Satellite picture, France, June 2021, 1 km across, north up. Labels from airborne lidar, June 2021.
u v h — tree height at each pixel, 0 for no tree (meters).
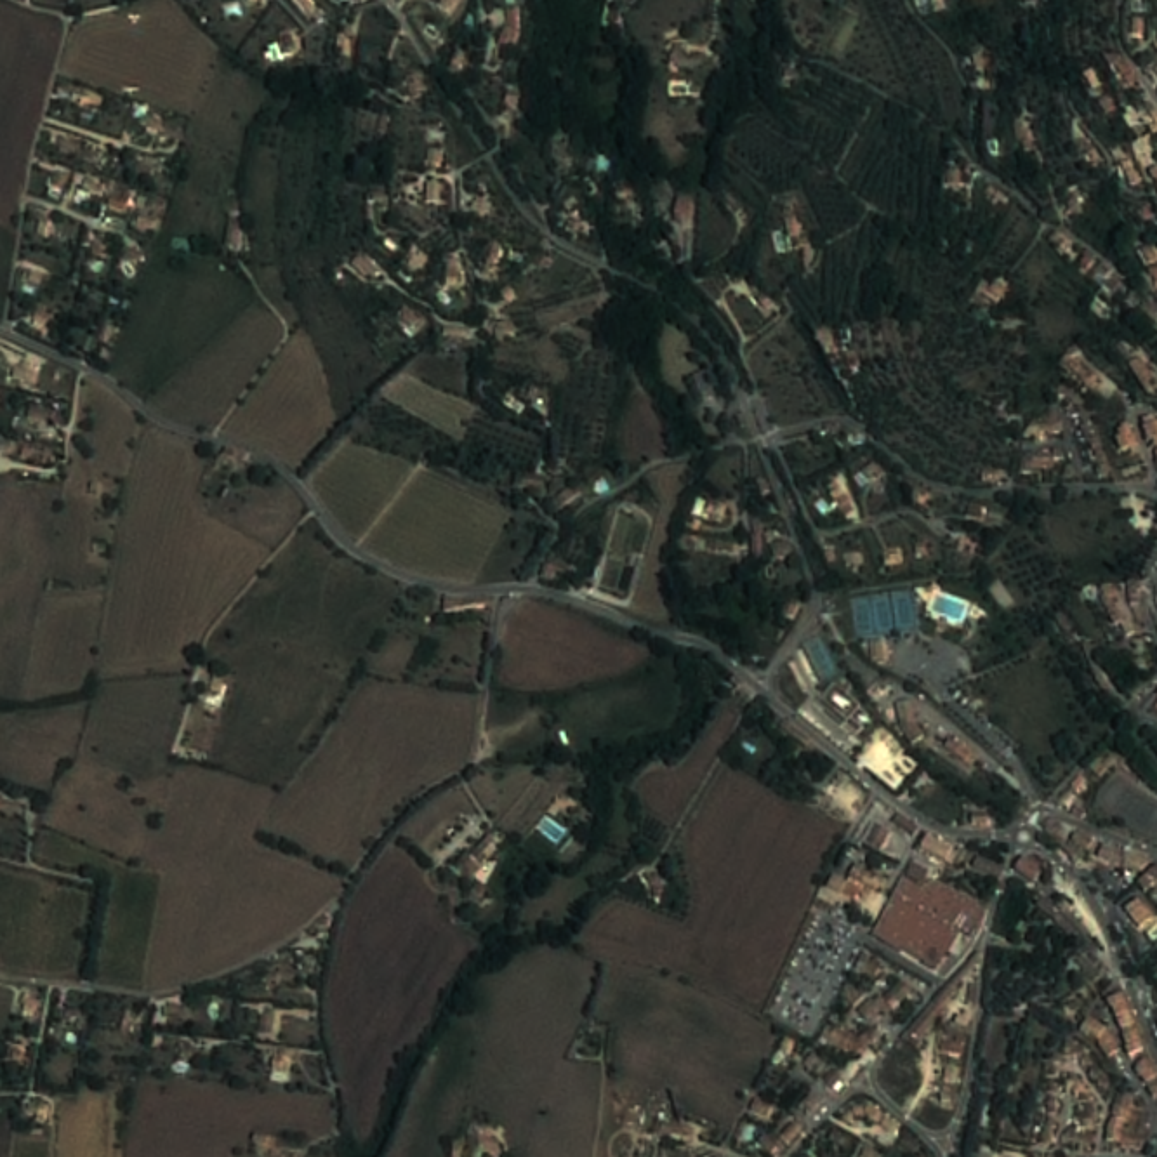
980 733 0
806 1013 0
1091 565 0
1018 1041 14
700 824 0
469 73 14
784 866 0
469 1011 21
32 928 0
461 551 0
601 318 8
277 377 0
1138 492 0
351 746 0
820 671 0
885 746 0
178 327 0
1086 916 0
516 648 0
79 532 0
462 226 15
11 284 0
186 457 0
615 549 0
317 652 0
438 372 0
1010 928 11
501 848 7
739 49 19
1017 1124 10
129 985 0
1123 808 0
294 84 17
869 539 0
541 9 11
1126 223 7
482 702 0
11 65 0
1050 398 13
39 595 0
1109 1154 0
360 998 0
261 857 0
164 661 0
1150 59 12
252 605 0
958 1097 0
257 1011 0
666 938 0
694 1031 0
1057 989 18
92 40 0
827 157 6
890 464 9
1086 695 9
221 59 0
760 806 0
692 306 14
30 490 0
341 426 15
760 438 0
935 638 0
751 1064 0
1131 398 8
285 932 0
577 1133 0
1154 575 0
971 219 9
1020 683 0
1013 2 6
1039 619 8
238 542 0
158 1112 0
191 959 0
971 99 14
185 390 0
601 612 0
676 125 0
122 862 0
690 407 19
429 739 0
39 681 0
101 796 0
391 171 13
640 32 0
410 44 0
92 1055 7
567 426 7
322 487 0
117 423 0
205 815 0
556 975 0
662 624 0
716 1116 0
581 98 21
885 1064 0
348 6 10
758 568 10
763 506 7
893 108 10
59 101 8
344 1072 0
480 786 0
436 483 0
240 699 0
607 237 18
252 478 12
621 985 0
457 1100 0
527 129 11
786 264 7
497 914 0
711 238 0
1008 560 6
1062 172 6
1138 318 16
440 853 0
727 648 10
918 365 7
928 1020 0
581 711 0
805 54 10
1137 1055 0
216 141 0
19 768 0
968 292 8
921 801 0
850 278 5
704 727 16
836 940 0
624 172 7
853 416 6
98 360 13
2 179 0
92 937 14
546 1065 0
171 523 0
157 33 0
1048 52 8
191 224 0
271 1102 0
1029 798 0
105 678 0
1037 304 10
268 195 0
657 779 0
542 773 18
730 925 0
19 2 0
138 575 0
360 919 0
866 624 0
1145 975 6
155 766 0
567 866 9
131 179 12
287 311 0
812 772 14
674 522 8
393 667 0
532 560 13
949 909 0
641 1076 0
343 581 0
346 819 0
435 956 0
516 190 8
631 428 0
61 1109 0
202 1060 14
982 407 8
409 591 7
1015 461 6
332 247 0
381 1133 12
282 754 0
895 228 14
